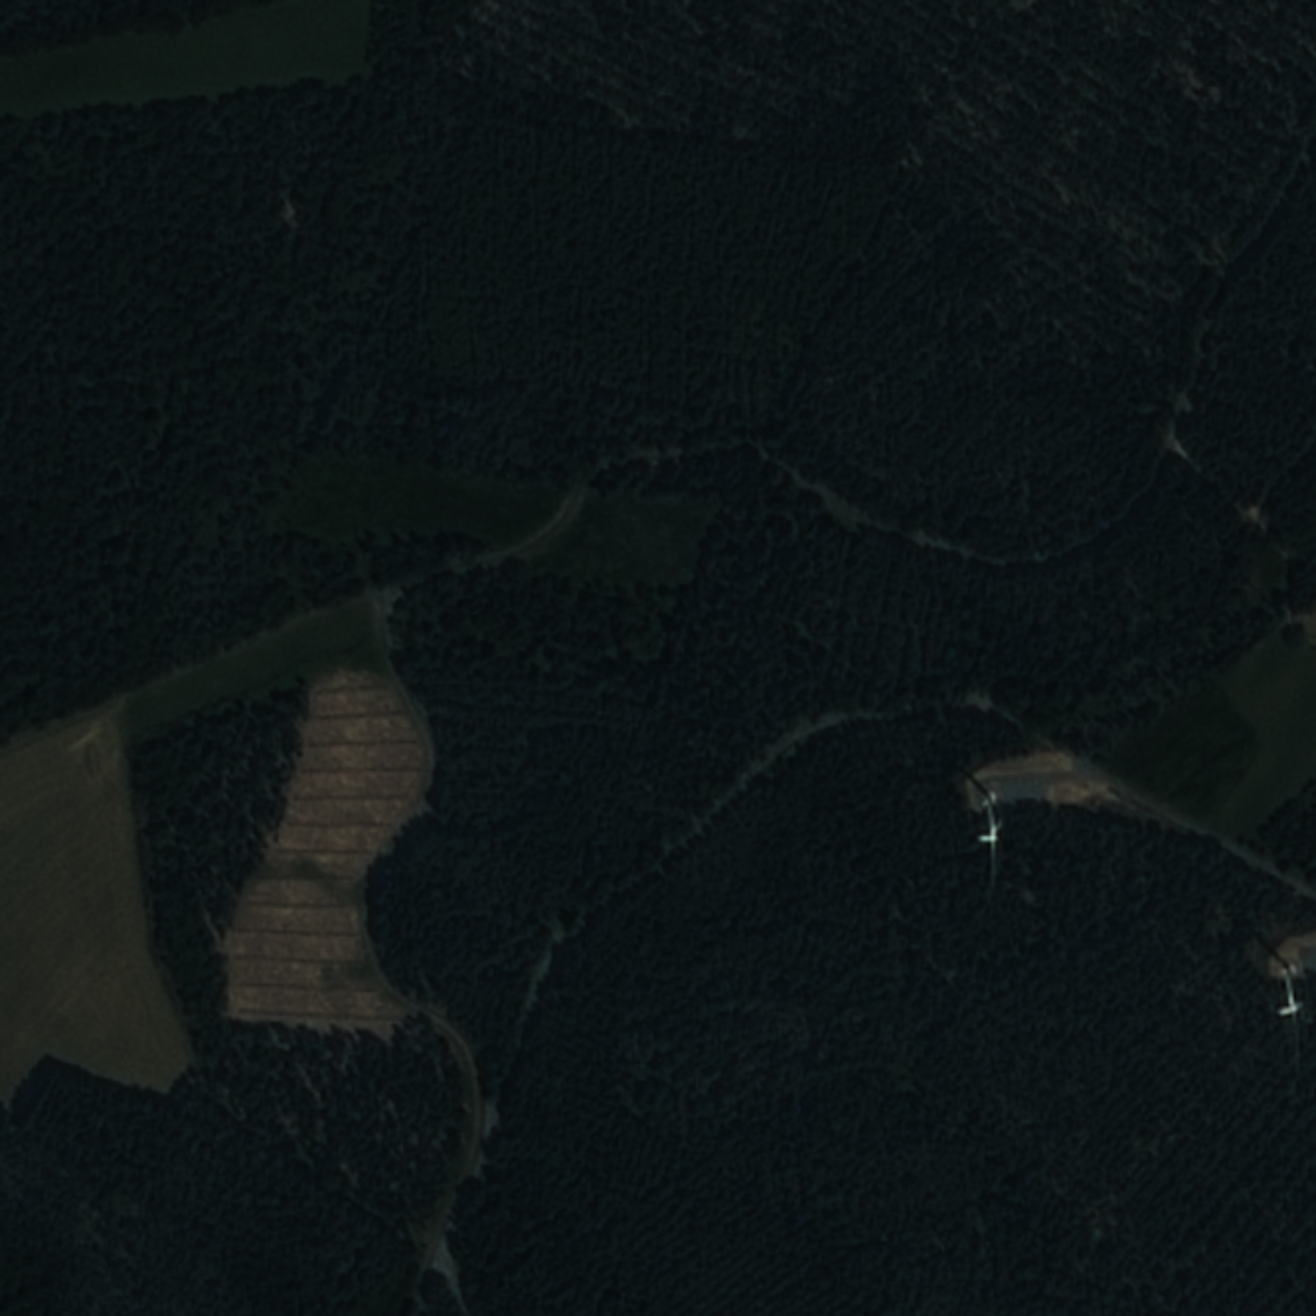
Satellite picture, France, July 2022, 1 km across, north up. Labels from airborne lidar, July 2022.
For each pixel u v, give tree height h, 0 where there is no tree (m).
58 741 0
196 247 16
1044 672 19
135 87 0
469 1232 23
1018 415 17
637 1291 20
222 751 18
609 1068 19
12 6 20
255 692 0
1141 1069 17
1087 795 0
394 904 26
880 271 18
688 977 26
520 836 27
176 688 0
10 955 0
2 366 14
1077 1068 21
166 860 16
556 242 18
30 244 14
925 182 16
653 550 0
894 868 17
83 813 0
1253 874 19
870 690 20
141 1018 0
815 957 21
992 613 23
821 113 22
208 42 0
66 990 0
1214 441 18
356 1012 0
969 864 24
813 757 19
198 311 17
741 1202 18
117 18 21
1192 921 24
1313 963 0
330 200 17
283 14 0
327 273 12
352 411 27
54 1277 26
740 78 16
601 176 14
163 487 22
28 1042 0
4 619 12
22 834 0
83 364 16
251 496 6
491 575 13
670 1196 15
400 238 14
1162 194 16
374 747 0
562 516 0
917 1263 23
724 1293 11
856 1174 21
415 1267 7
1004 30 16
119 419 17
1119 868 20
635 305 14
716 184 17
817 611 22
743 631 33
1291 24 18
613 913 17
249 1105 20
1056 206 17
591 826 16
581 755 28
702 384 9
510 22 14
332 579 13
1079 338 15
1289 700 0
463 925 24
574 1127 19
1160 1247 21
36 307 12
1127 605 19
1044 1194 22
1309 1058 21
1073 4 17
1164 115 14
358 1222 28
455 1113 20
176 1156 29
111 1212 26
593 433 16
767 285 21
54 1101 25
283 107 17
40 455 20
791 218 18
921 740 15
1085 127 16
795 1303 17
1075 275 17
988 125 14
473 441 29
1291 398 16
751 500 20
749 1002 24
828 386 13
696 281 18
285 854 0
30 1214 30
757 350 13
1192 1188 19
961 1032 20
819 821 23
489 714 16
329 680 0
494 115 17
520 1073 23
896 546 22
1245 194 19
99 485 16
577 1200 23
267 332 15
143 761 13
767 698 31
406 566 14
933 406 22
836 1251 18
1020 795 0
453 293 18
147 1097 24
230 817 19
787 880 16
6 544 19
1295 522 20
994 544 13
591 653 17
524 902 25
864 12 13
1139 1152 9
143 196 15
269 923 0
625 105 13
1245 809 0
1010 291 17
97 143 17
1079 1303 21
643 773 18
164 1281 27
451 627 21
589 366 18
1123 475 20
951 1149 20
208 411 21
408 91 13
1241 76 19
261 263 14
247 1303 23
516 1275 22
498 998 18
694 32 17
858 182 16
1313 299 20
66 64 0
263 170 21
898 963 19
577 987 26
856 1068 17
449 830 30
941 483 17
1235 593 18
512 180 22
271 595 21
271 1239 24
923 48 14
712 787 14
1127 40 19
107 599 11
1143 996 25
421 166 13
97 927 0
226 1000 18
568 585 11
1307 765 0
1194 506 24
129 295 13
